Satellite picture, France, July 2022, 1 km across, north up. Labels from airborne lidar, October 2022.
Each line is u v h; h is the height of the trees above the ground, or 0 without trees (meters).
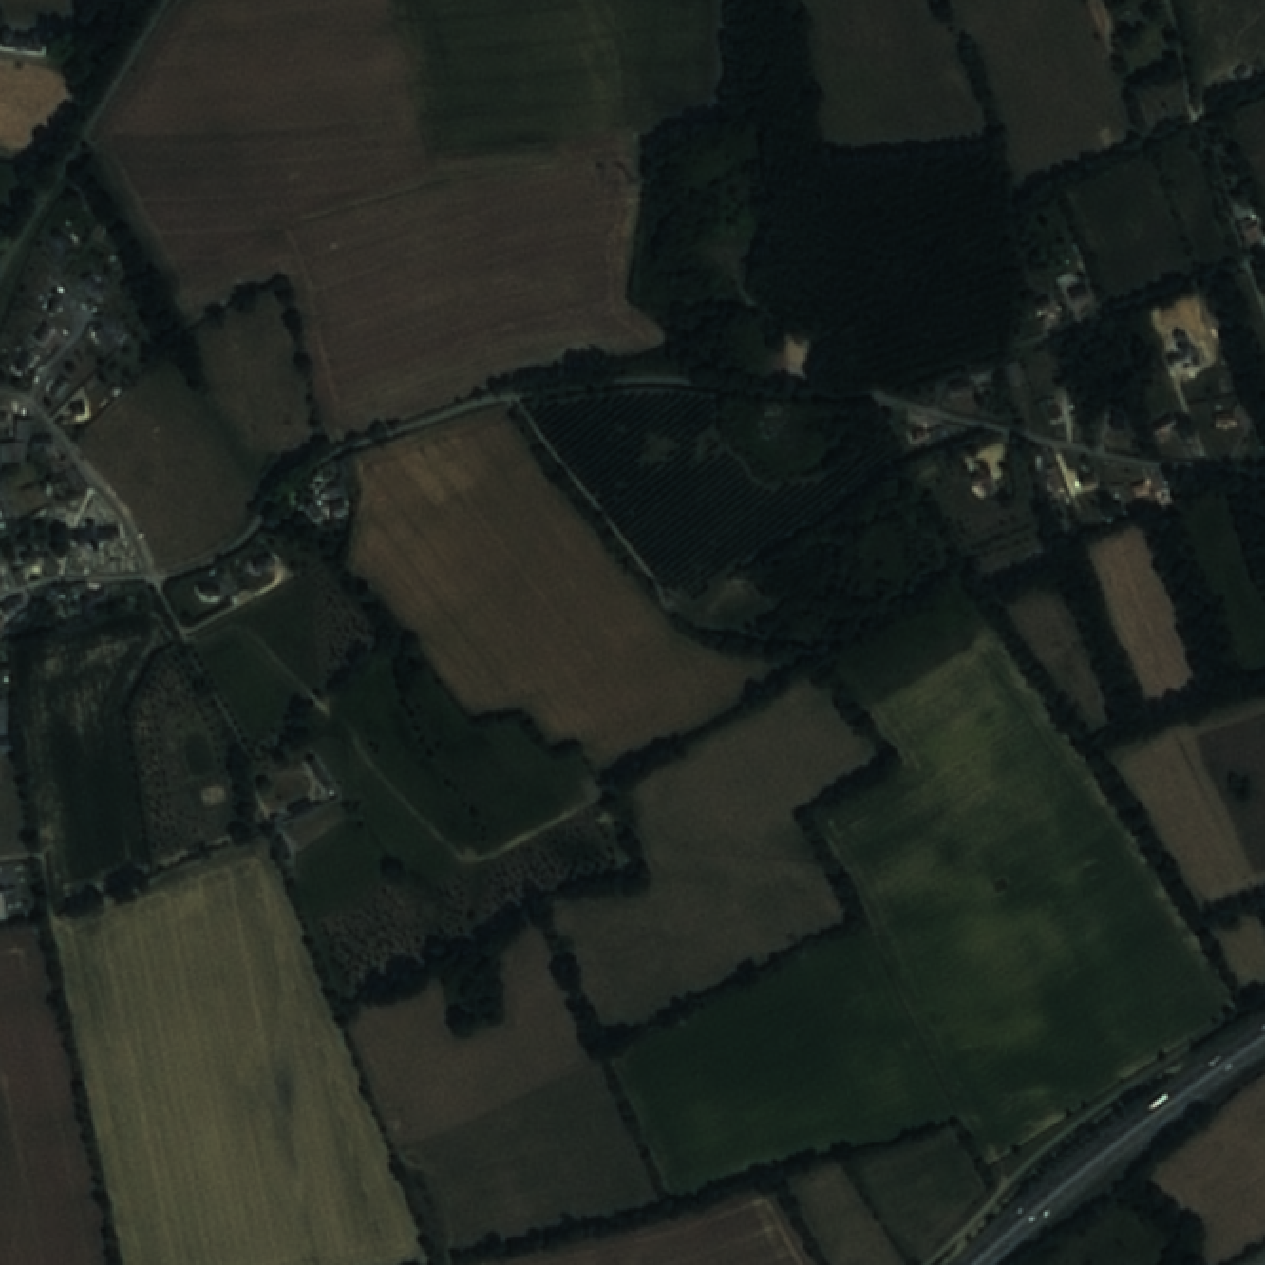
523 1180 0
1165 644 0
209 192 0
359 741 0
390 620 7
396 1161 7
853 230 20
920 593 15
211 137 0
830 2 0
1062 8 0
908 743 0
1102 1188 0
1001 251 17
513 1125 0
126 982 0
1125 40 16
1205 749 0
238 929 0
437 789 0
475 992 12
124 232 19
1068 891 0
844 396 11
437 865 0
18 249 0
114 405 0
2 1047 0
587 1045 10
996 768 0
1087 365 20
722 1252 0
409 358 0
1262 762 0
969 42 10
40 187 16
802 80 15
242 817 11
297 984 0
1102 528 8
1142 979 0
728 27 9
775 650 20
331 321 0
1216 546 0
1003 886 0
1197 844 0
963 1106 0
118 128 0
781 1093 0
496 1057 0
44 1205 0
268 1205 0
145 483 0
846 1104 0
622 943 0
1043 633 0
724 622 0
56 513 0
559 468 13
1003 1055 0
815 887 0
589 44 0
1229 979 11
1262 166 0
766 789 0
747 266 6
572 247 0
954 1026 0
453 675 0
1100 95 0
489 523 0
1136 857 0
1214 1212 0
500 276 0
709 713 0
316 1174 0
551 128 0
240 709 0
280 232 0
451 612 0
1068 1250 0
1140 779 0
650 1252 0
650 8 0
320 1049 0
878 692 0
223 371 0
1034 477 7
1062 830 0
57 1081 0
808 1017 0
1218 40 0
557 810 0
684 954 0
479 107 0
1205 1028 0
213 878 0
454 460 0
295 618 0
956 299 17
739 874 0
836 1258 0
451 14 0
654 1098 0
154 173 0
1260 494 18
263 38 0
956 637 0
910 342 18
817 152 25
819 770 0
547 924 10
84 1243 0
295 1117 0
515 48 0
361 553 0
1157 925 0
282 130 0
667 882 0
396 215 0
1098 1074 0
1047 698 17
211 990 0
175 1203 0
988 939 0
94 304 0
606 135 0
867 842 0
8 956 0
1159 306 12
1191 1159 0
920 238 17
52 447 0
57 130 22
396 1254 0
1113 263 0
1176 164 0
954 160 16
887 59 0
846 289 18
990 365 7
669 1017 13
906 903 0
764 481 6
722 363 13
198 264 0
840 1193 0
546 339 0
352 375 0
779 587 12
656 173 14
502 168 0
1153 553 7
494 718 10
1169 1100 0
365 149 0
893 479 18
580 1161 0
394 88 0
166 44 0
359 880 0
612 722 0
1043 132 0
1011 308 14
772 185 22
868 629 20
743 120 17
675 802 0
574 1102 0
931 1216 0
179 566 0
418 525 0
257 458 0
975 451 11
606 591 0
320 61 0
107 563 0
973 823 0
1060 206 7
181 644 6
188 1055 0
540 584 0
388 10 0
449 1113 0
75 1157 0
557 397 6
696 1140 0
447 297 0
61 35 28
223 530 0
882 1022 0
